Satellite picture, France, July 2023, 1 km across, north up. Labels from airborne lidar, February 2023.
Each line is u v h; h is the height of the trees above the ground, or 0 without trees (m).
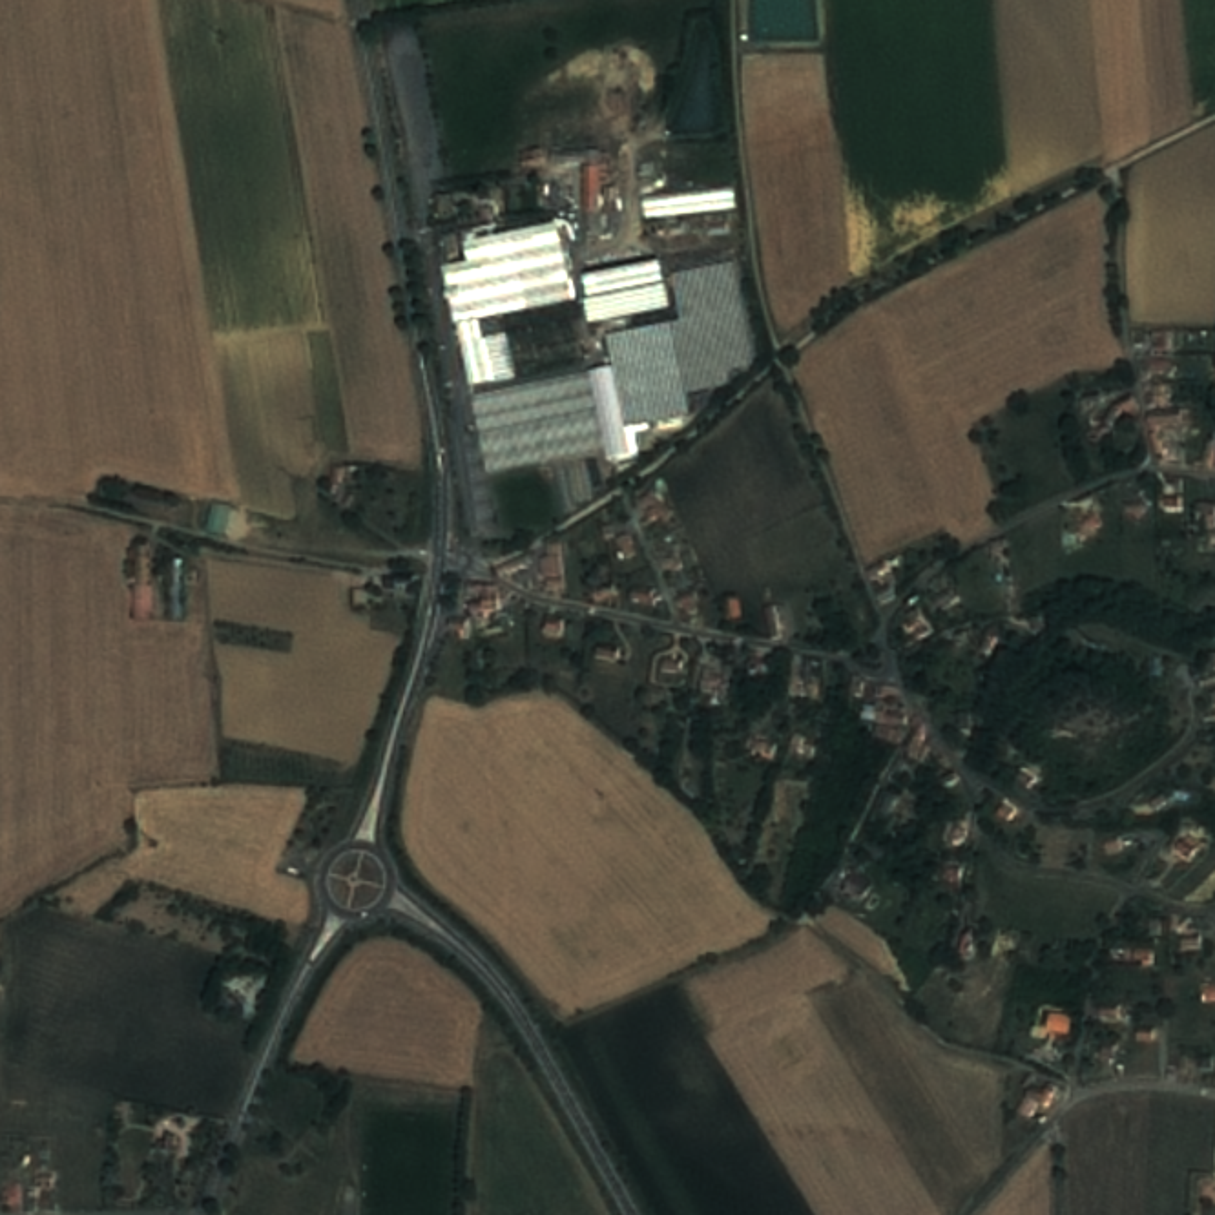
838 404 0
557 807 0
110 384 0
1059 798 7
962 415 0
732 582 0
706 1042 0
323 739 0
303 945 0
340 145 0
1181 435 0
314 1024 0
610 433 0
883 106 0
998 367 0
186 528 0
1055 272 0
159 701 0
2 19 0
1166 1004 11
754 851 15
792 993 0
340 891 0
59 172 0
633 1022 0
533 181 9
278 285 0
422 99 0
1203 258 0
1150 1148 0
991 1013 0
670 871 0
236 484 0
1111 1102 0
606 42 0
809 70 0
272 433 0
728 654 9
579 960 0
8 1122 0
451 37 0
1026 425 0
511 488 0
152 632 0
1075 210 0
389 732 0
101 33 0
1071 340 0
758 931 0
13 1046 0
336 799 0
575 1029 0
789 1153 0
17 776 0
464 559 0
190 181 0
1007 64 0
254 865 0
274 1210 0
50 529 0
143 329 0
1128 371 14
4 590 0
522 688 13
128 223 0
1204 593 0
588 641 10
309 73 0
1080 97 0
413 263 12
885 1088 0
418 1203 0
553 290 0
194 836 0
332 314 0
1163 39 0
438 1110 0
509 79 0
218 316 0
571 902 0
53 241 0
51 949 0
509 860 0
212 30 0
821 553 0
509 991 0
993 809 7
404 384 0
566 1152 0
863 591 10
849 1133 0
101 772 0
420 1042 0
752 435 0
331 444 0
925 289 0
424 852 0
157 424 0
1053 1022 0
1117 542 0
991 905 0
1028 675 12
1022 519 0
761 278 0
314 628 0
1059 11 0
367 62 0
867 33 0
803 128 0
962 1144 0
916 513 0
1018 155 0
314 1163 0
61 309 0
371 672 0
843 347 0
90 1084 0
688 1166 0
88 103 0
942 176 0
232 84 0
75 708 0
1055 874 0
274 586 0
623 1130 0
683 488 0
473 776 0
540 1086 0
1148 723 9
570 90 0
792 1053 0
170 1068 0
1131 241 0
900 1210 0
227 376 0
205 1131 7
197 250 0
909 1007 10
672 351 0
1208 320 0
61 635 0
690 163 0
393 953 0
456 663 0
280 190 0
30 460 0
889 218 0
